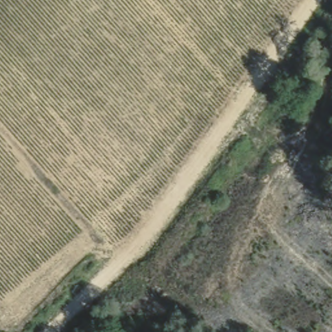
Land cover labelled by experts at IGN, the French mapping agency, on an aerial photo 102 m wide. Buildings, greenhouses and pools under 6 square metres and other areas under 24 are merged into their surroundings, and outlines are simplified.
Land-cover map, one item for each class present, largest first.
<instances>
[{"label":"vineyard","instance_id":"1","mask_svg":"<svg viewBox=\"0 0 332 332\"><path fill-rule=\"evenodd\" d=\"M303 0H0V297L21 284L22 278L30 275L41 263L47 262L80 232L87 230L93 243L104 244H113L126 237L140 222L141 211L149 210L154 197L160 195L161 189L166 188L167 184L174 183L175 175L188 161L189 152L197 149L200 143L198 139L205 137L218 118L222 117L231 101L237 100L240 88L246 83H252V77L241 57L248 53L249 49L265 52L272 44L268 32H281L279 23L275 21L276 14L289 19Z\"/></svg>","mask_w":332,"mask_h":332},{"label":"herbaceous vegetation","instance_id":"2","mask_svg":"<svg viewBox=\"0 0 332 332\"><path fill-rule=\"evenodd\" d=\"M310 39L302 29L297 31L296 38L289 44L285 56L275 61L268 69L271 77H276L280 71L294 73L298 67V57L305 52L307 40ZM332 144V77L328 74L324 83L323 95L316 101L306 122H298L289 114L285 115L275 101L271 104L263 93L255 92L252 101L233 123L231 131L223 137L219 147L222 152L207 165L204 176L197 180L183 204L179 205L174 218L163 228L148 252L124 268L122 274L100 293L104 300L119 302L121 315H143L140 300H148L147 288H153L162 296L183 303L191 307L193 313L204 316L200 323L206 324L211 331L223 327L227 320H236L248 324L253 332H332V193L323 187L324 180L315 175V161L316 158H327ZM91 253L95 254L96 259L108 258L110 261L113 252L105 249L104 244L93 243L87 230L80 232L47 262L41 263L30 275L22 278L21 284L0 297V332H18L34 315L31 313L32 307H43L62 292V287L57 281L80 258Z\"/></svg>","mask_w":332,"mask_h":332},{"label":"pervious surface","instance_id":"3","mask_svg":"<svg viewBox=\"0 0 332 332\"><path fill-rule=\"evenodd\" d=\"M320 0H303L289 19L276 14L275 21L279 23L281 32H268L272 44L265 52L249 49L248 53L241 57L252 77V83H246L240 88L237 100L231 101L222 117L218 118L205 137L198 139L200 143L197 149L189 152L188 161L175 175L174 183L167 184L166 188L161 189L160 195L154 197L149 210L141 211L140 222L126 237L113 244H104L105 249L113 252L110 261L91 283L79 281L78 284L70 285V298L61 307L62 313L48 323H43L44 329L41 332H58L64 318L77 314L92 297L99 296L100 293L122 274L124 268L148 252L163 228L174 218L179 205L183 204L197 180L204 176L207 165L222 152L219 147L223 137L231 131L233 123L252 101L255 92L271 77L268 69L275 61L285 56L289 44L296 38L297 31L302 29Z\"/></svg>","mask_w":332,"mask_h":332},{"label":"coniferous trees","instance_id":"4","mask_svg":"<svg viewBox=\"0 0 332 332\"><path fill-rule=\"evenodd\" d=\"M310 39L307 40L305 52L298 57V67L306 69L303 77L324 83L328 74L332 77V0H320L302 29ZM315 175L324 180L323 187L332 193V144L327 158H316L315 161ZM148 300H140L143 315H121L119 302L104 300L100 293L99 296L92 297L77 314L64 318L58 332H253L248 324L236 320H227L223 327L211 331L206 324L200 323L204 316L193 313L191 307L183 303L162 296L153 288H147Z\"/></svg>","mask_w":332,"mask_h":332},{"label":"deciduous trees","instance_id":"5","mask_svg":"<svg viewBox=\"0 0 332 332\"><path fill-rule=\"evenodd\" d=\"M306 69L298 67L294 73L280 71L276 77H271L255 92L263 93L271 104L275 101L285 115L289 114L298 122H306L316 101L323 95L324 83L303 77Z\"/></svg>","mask_w":332,"mask_h":332},{"label":"brushwood","instance_id":"6","mask_svg":"<svg viewBox=\"0 0 332 332\"><path fill-rule=\"evenodd\" d=\"M110 261L108 258L96 259L95 254L91 253L80 258L57 281L62 287V292L43 307H32L31 313L34 315L18 332H41L44 329L43 323H48L62 313L61 307L70 298V285L78 284L79 281L91 283Z\"/></svg>","mask_w":332,"mask_h":332}]
</instances>
